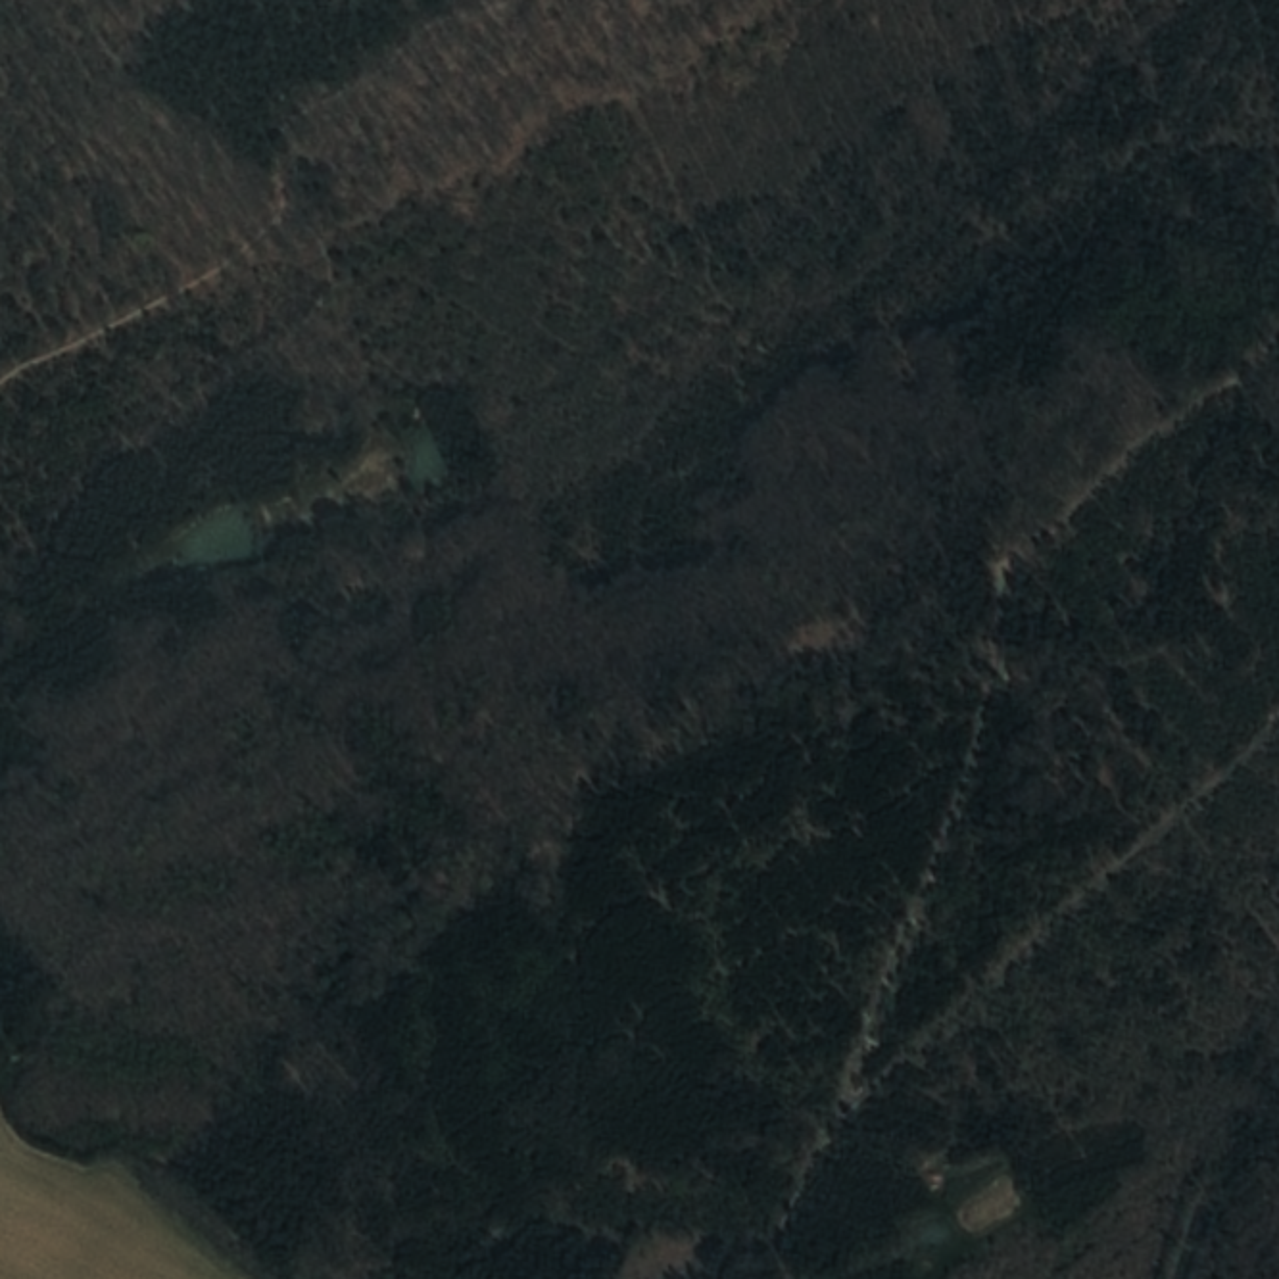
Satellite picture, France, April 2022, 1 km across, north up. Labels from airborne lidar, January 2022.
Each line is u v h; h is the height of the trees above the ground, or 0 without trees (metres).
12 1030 24
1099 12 6
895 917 10
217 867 20
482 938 20
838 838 13
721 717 20
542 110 28
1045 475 19
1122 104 8
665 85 28
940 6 9
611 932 14
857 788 14
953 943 12
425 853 13
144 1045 16
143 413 9
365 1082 24
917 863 13
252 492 27
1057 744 33
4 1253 0
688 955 11
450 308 9
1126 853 11
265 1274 20
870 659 25
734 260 17
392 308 8
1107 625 8
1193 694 9
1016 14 7
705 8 28
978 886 14
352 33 29
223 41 32
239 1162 29
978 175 16
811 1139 14
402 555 20
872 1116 13
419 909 32
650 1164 20
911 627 29
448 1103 22
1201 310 15
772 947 9
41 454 9
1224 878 9
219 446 28
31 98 29
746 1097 23
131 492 25
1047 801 34
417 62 30
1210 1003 15
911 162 12
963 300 9
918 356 22
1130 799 13
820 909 12
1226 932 14
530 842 23
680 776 12
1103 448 17
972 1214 0
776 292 10
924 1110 10
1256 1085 12
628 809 16
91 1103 16
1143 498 10
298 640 23
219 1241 22
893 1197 19
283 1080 24
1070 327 16
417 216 11
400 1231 23
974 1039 11
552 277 11
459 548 22
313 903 24
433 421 18
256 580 8
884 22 7
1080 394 19
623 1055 24
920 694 6
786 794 15
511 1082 24
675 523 7
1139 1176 10
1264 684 8
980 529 24
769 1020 14
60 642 19
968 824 13
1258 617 11
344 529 27
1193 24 12
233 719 20
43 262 24
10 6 31
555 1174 26
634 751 22
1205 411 7
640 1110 23
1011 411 19
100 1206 0
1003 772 15
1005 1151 17
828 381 23
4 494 10
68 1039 19
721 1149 18
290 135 31
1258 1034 16
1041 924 8
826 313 6
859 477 20
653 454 5
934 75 8
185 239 30
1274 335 12
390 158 32
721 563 20
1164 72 14
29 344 7
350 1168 27
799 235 19
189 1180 21
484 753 20
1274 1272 9
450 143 33
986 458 21
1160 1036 13
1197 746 8
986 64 16
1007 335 22
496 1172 22
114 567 29
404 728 20
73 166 32
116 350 10
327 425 26
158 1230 0
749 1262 23
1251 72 8
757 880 11
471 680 14
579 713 22
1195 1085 12
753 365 7
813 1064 9
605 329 10
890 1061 11
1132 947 12
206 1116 16
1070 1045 10
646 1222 8
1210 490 22
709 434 7
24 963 13
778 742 13
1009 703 19
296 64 34
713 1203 10
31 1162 0
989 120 16
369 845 17
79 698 22
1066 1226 9
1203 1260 16
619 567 12
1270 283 13
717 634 23
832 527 23
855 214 23
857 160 14
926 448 21
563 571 20
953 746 14
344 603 12
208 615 21
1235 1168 7
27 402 11
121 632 20
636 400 11
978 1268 7
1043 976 10
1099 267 17
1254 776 7
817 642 0
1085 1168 7
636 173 11
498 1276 24
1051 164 10
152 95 26
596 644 26
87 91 32
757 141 9
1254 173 19
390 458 0
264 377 28
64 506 12
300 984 24
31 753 8
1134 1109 9
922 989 13
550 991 19
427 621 13
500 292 11
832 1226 21
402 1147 23
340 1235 25
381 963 27
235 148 25
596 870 14
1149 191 11
